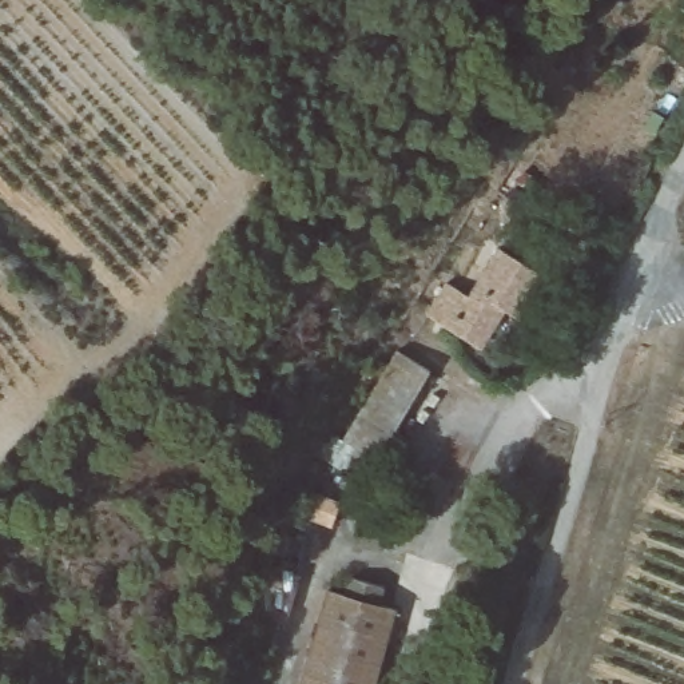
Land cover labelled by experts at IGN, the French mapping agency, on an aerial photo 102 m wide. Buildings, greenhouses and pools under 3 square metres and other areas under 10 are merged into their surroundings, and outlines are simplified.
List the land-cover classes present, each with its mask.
<instances>
[{"label":"coniferous trees","instance_id":"1","mask_svg":"<svg viewBox=\"0 0 684 684\"><path fill-rule=\"evenodd\" d=\"M86 13L91 19L110 21L126 32L131 45L139 51L144 67L158 80L168 83L187 104L195 107V112L219 136L227 158L238 168L257 176L259 190L251 195L243 216H238V222L230 230H224L208 248V259L198 270L195 281L174 289V294L168 297V315L160 331L142 337L128 353L112 358L94 374H83L80 379H75L48 406L45 417L29 433H24L0 462V684H278L286 657H291L294 633L302 625L305 599L315 561L334 540L326 526L315 524V510L323 500L334 502L339 497V486L334 481L331 468L334 444L345 438L355 414L369 401L371 390L379 382V371L393 361V355H403V345H393V334H403L409 329L406 299L379 297V286L385 281L409 278L411 283H417L414 259L401 262V240L414 248L436 246L433 230L457 219L470 200L486 192V171L492 166H497L500 160H518L532 142L558 131L561 115L550 110L558 99V80L553 69L558 64L577 59V51L572 45L582 40V16L588 13L585 0H83ZM283 577L294 580L291 612L275 609V582H283ZM497 473L468 470L462 494L446 508L457 518L452 526V548L462 553V564H457L454 569V582L468 580L478 566H505L516 556V542L524 537L521 529L513 526L518 513L516 502L494 486ZM430 625L425 631H406L393 671H379L377 684H484L486 673L478 663V649L489 647L500 652L502 633H492L486 615L470 607L465 599H460L452 588L444 593L436 609L428 612Z\"/></svg>","mask_w":684,"mask_h":684},{"label":"vineyard","instance_id":"2","mask_svg":"<svg viewBox=\"0 0 684 684\"><path fill-rule=\"evenodd\" d=\"M259 190L257 176L238 168L227 158L219 136L195 112V107L187 104L168 83L158 80L144 67L139 51L131 45L126 32L110 21L91 19L86 13L83 0H0V198L37 230L51 235L61 251L88 259L94 278L110 289L112 299L120 305L126 315V323L115 339H110L107 345L77 347L75 339H69L56 323L45 318L43 305L48 302V294L8 291V275L0 265V462L24 433H29L45 417L48 406L75 379H80L83 374H94L112 358L128 353L142 337L160 331L168 315V297L174 294V289L195 281L198 270L208 259V248L224 230H230L238 222V216H243L251 195ZM671 422L679 425L676 452L657 454V465L673 468L681 476L676 489L647 497L644 505L647 510H652L649 534H631V545H639V566H625V574L636 577V593L631 599H612V609L623 617L617 628L601 631V641H609L612 647V657L607 663H593L596 676L604 679L601 684H684V406L676 403L671 409Z\"/></svg>","mask_w":684,"mask_h":684},{"label":"impervious surface","instance_id":"3","mask_svg":"<svg viewBox=\"0 0 684 684\"><path fill-rule=\"evenodd\" d=\"M623 275L615 299L628 313H623L615 321L612 334L607 339V353L599 361H590L580 377L537 379L516 395H489L484 393L481 382L462 369V363L446 361V369L438 379L428 374L401 428L387 438L390 446L403 457V462L428 478L425 497L414 505L419 518L428 521L425 532L406 545L379 548L374 540H355V521H345L337 516L334 524L326 526L334 540L315 561L305 599L302 625L305 631H313L326 590L361 604L393 609V628L379 671H393L406 631H425L430 625L428 612L436 609L444 593L452 588L460 599H465L470 607L486 615L492 633H502L500 652L489 647L478 649V663L486 673L484 684H529L524 679V671L532 668L529 652L545 644V639L561 617V596L566 590V577L558 553L566 548L577 516V505L596 452L599 430L604 425V411L620 358L625 347L639 337V331L660 329L663 323L684 326V147L663 176V187L647 222L644 235L636 240V248L620 254V265L615 270ZM468 470L497 473L494 486L516 502L518 513L513 526L521 529L524 537L516 542V556L505 566H478L468 580L454 582V569L457 564H462V553L452 548V526L457 518L446 508L462 494Z\"/></svg>","mask_w":684,"mask_h":684},{"label":"herbaceous vegetation","instance_id":"4","mask_svg":"<svg viewBox=\"0 0 684 684\"><path fill-rule=\"evenodd\" d=\"M588 13L582 16V40L572 45L577 51V59L558 64L553 69L558 80V99L550 110L561 115L558 131L532 142L518 160H500L497 166H492L486 171V192L470 200L457 219L433 230L436 246L414 248L401 240V262L414 259L417 283H411L409 278L385 281L379 286V297L406 299L409 329L403 334H393V345H403V355L428 369V374L438 379L446 369V361L441 350L430 347L433 331L428 307L433 302V286H454L462 294H470L473 281L468 275L478 262L481 246L494 240L500 230L508 224L510 190L521 187L526 176L553 198L593 195L599 198V206L607 214L617 219L636 206V216L647 222L663 187V176L657 168L644 166L633 150L647 147L657 136L660 118L652 115V110H673L676 99L684 91V69L676 72L668 88L649 83L660 61V48L644 45L649 27L641 21L657 0H585ZM631 51L639 61L636 75L612 96L588 94L593 83L609 69L612 59L625 56ZM676 403L684 406V326L663 323L660 329L639 331V337L625 347L620 358L604 411V425L599 430L596 452L577 505V516L566 548L558 553L566 577V590L561 596V617L545 639V644L529 652L532 668L524 671V679L529 684H601L604 679L596 676L593 663H607L612 657V647L609 641H601V631L617 628L623 617L612 609V599H631L636 593V577L625 574V566H639V545H631V534H649L652 510H647L644 505L647 497L676 489L681 476L673 468L657 465V454L676 452L679 425L671 422V409Z\"/></svg>","mask_w":684,"mask_h":684},{"label":"deciduous trees","instance_id":"5","mask_svg":"<svg viewBox=\"0 0 684 684\"><path fill-rule=\"evenodd\" d=\"M647 222L636 216V206L617 219L607 214L599 206V198L593 195L553 198L526 176L521 187L510 190L508 224L500 230L494 240L508 257L529 267L534 275L529 289L521 294L516 313L500 318L484 350H473L452 331H433L430 347L441 350L446 361L462 363V369L481 382L484 393L489 395H516L537 379L580 377L590 361H599L607 353V339L612 334L615 321L623 313H628L615 299L623 275L615 270L620 265V254L636 248V240L644 235ZM334 481L339 486V497L334 502L337 516L345 521H355V540H374L379 548L406 545L425 532L428 521L419 518L414 505L425 497L428 478L403 462V457L390 446L387 438L369 444L361 454L350 460L347 468H331Z\"/></svg>","mask_w":684,"mask_h":684},{"label":"building","instance_id":"6","mask_svg":"<svg viewBox=\"0 0 684 684\"><path fill-rule=\"evenodd\" d=\"M473 281L470 294H462L454 286H433V302L428 307L433 331H452L473 350H484L500 318L516 313L521 294L529 289L534 275L529 267L508 257L494 240L481 246L478 262L468 275ZM428 374V369L403 355H393V361L379 371V382L371 390L369 401L355 414L345 438L334 444L331 468H347L350 460L361 454L369 444L387 438L401 428ZM337 516L334 502L323 500L315 510V524L326 526L334 524ZM294 580L283 577V582H275V609L291 612ZM393 628V609L361 604L326 590L313 631H305L302 625L294 633L291 657H286L278 684H377L379 671Z\"/></svg>","mask_w":684,"mask_h":684},{"label":"brushwood","instance_id":"7","mask_svg":"<svg viewBox=\"0 0 684 684\"><path fill-rule=\"evenodd\" d=\"M649 27L644 45L660 48V61L649 83L668 88L676 72L684 69V0H657L641 21ZM639 61L631 51L625 56L612 59L609 69L593 83L588 94L612 96L636 75ZM652 115L660 118L657 136L647 147L633 150L644 166L657 168L663 176L684 147V91L676 99L673 110H652ZM0 265L8 275V291L48 294V302L43 305L45 318L56 323L69 339H75L77 347L107 345L110 339H115L126 323V315L120 305L112 299L110 289L94 278L88 259L61 251L51 235L37 230L0 198Z\"/></svg>","mask_w":684,"mask_h":684}]
</instances>
